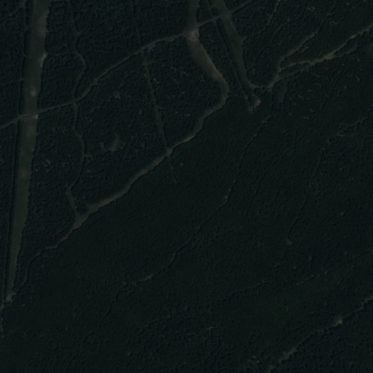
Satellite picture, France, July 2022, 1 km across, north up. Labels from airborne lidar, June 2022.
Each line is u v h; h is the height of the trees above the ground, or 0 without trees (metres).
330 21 10
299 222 16
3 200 14
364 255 17
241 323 21
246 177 11
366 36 12
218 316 15
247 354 24
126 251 14
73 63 15
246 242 13
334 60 15
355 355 25
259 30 13
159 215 12
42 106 17
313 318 28
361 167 13
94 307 14
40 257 13
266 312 13
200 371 20
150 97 15
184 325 22
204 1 16
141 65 12
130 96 10
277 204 14
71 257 16
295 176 14
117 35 13
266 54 12
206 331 17
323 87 12
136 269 16
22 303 10
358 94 14
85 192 16
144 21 16
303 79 10
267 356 21
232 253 14
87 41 17
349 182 13
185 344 20
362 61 12
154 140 12
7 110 11
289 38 10
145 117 10
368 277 27
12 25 20
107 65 16
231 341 23
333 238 15
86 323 15
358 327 20
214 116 13
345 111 12
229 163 14
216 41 14
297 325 27
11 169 16
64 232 12
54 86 17
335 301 24
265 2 13
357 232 16
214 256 10
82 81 12
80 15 19
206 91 13
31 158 0
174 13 14
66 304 17
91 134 13
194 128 13
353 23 13
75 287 18
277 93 13
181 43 15
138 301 17
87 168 14
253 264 13
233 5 15
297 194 16
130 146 15
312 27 9
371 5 9
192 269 14
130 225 14
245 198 13
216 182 14
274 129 12
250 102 9
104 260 15
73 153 13
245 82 10
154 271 14
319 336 25
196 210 13
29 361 17
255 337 23
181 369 18
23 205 0
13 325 10
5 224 13
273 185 15
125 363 18
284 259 14
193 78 12
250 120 10
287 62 11
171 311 18
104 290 15
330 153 15
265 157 15
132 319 15
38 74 0
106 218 13
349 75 11
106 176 15
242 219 8
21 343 17
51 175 14
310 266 14
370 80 10
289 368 26
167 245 13
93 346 17
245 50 11
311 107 13
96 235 14
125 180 11
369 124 13
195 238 14
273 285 16
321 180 12
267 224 14
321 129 14
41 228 12
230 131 12
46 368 15
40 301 16
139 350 21
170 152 0
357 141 6
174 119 12
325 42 11
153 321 14
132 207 14
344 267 16
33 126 0
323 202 11
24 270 13
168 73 13
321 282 12
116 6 18
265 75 12
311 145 14
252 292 14
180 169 11
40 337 12
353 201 16
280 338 23
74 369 17
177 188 12
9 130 17
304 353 23
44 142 14
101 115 14
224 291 17
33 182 15
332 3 11
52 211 14
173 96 13
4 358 17
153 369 20
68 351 17
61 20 18
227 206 9
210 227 14
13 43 19
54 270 15
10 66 20
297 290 12
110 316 17
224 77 11
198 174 13
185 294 15
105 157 16
